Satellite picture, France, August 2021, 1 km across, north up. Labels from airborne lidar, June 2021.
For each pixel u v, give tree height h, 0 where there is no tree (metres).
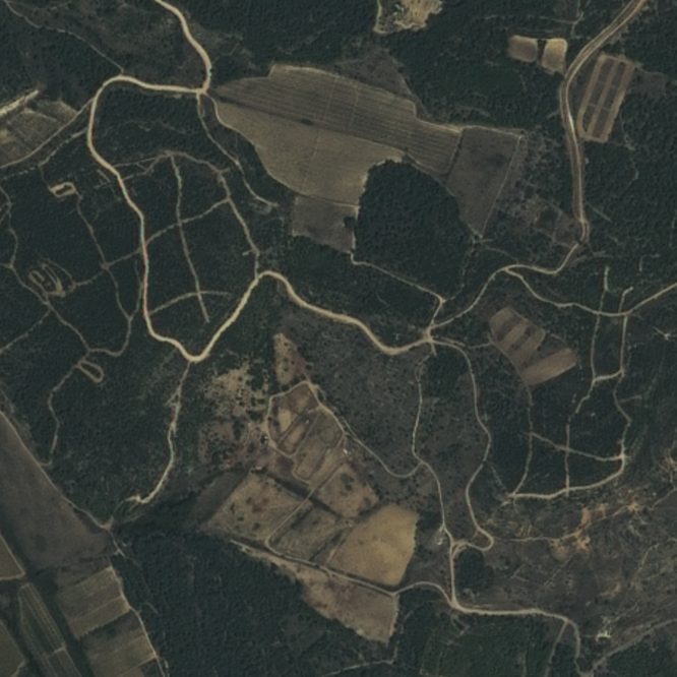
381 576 0
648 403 5
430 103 7
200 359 0
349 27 8
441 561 0
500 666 6
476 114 8
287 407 0
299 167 0
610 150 8
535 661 7
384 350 0
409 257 6
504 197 0
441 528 0
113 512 7
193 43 0
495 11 6
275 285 6
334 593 0
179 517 12
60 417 7
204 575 8
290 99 0
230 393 0
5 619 6
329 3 7
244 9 6
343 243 0
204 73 9
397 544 0
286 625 8
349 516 0
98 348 6
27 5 6
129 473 0
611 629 0
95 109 0
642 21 8
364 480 0
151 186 6
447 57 8
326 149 0
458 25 7
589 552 0
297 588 10
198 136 5
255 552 0
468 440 0
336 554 0
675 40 6
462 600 0
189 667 9
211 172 0
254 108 0
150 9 10
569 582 0
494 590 0
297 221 0
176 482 0
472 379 0
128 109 8
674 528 0
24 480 0
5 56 7
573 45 6
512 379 7
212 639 7
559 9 0
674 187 7
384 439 0
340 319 0
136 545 8
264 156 0
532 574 0
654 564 0
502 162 0
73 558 0
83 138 7
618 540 0
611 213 8
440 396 8
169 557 7
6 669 0
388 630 0
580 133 0
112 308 6
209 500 0
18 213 6
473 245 6
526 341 0
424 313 6
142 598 10
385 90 0
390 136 0
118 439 6
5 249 6
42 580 5
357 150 0
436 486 0
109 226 6
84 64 6
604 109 0
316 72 0
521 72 7
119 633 0
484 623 8
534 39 0
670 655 7
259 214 0
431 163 0
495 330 0
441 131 0
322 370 0
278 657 11
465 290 6
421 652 10
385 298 5
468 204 0
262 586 9
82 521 0
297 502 0
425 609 9
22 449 0
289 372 0
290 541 0
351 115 0
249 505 0
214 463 6
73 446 7
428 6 0
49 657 0
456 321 9
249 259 6
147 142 6
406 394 0
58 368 5
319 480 0
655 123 9
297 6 6
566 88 0
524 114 8
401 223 7
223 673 8
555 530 0
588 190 7
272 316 7
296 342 0
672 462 0
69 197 7
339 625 11
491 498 0
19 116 0
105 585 0
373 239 8
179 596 10
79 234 6
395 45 8
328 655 8
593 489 0
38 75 0
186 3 8
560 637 0
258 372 7
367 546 0
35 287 6
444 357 6
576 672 9
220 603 6
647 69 7
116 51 6
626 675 8
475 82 7
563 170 9
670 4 8
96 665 0
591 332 7
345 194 0
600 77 0
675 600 0
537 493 0
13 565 0
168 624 7
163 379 0
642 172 7
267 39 8
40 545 0
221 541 8
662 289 0
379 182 7
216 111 0
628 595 0
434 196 9
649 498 0
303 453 0
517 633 7
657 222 8
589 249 6
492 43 10
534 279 6
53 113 0
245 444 0
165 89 0
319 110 0
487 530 0
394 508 0
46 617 0
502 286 6
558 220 0
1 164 0
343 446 0
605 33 0
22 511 0
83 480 7
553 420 6
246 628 13
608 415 6
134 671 0
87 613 0
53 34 9
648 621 0
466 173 0
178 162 0
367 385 0
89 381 6
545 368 0
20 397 7
